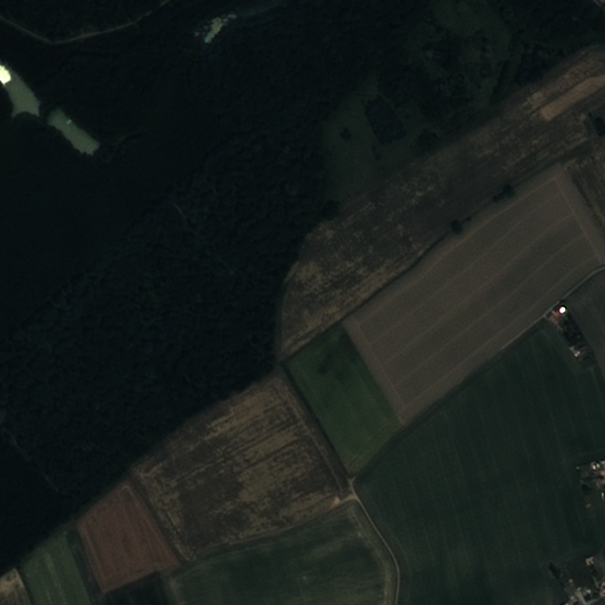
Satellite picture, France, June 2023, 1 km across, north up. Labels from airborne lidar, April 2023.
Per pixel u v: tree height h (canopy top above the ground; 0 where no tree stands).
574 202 0
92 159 12
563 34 16
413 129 0
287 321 0
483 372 0
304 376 0
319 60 20
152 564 0
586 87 0
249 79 23
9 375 23
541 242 0
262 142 24
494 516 0
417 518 0
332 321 0
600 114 0
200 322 23
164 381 19
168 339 14
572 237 0
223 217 25
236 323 27
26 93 0
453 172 0
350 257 0
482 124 0
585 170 0
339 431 0
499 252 0
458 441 0
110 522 0
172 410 16
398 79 14
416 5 21
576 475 0
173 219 25
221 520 0
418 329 0
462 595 0
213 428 0
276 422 0
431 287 0
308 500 0
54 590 0
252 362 19
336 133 0
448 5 0
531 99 0
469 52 0
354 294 0
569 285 0
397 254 0
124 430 21
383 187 0
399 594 0
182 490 0
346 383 0
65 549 0
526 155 0
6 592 0
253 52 22
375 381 0
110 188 13
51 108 10
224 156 23
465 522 0
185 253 19
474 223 0
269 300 17
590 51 0
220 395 17
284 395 0
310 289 0
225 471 0
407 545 0
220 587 0
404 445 0
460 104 6
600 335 0
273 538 0
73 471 21
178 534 0
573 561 0
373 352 0
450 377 0
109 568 0
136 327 20
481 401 0
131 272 21
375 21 23
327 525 0
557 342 0
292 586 0
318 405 0
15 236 14
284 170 23
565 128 0
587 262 0
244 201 22
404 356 0
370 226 0
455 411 0
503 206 0
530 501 0
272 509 0
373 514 0
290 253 24
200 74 21
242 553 0
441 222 0
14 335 23
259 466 0
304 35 23
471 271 0
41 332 22
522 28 8
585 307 0
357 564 0
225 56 19
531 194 0
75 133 0
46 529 10
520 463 0
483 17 0
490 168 0
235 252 25
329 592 0
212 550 0
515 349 0
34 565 0
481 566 0
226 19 0
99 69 21
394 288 0
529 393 0
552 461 0
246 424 0
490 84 0
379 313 0
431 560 0
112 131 23
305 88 20
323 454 0
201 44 0
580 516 0
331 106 15
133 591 0
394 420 0
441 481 0
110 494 0
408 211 0
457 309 0
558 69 0
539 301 0
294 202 22
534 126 0
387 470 0
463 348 0
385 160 0
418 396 0
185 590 0
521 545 0
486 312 0
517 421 0
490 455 0
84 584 0
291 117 21
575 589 0
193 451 0
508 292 0
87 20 17
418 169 0
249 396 0
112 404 21
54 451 21
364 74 14
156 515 0
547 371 0
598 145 0
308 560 0
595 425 0
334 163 0
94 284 27
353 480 0
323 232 0
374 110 11
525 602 0
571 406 0
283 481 0
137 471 0
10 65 5
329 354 0
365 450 0
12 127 12
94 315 26
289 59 21
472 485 0
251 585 0
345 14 24
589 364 0
